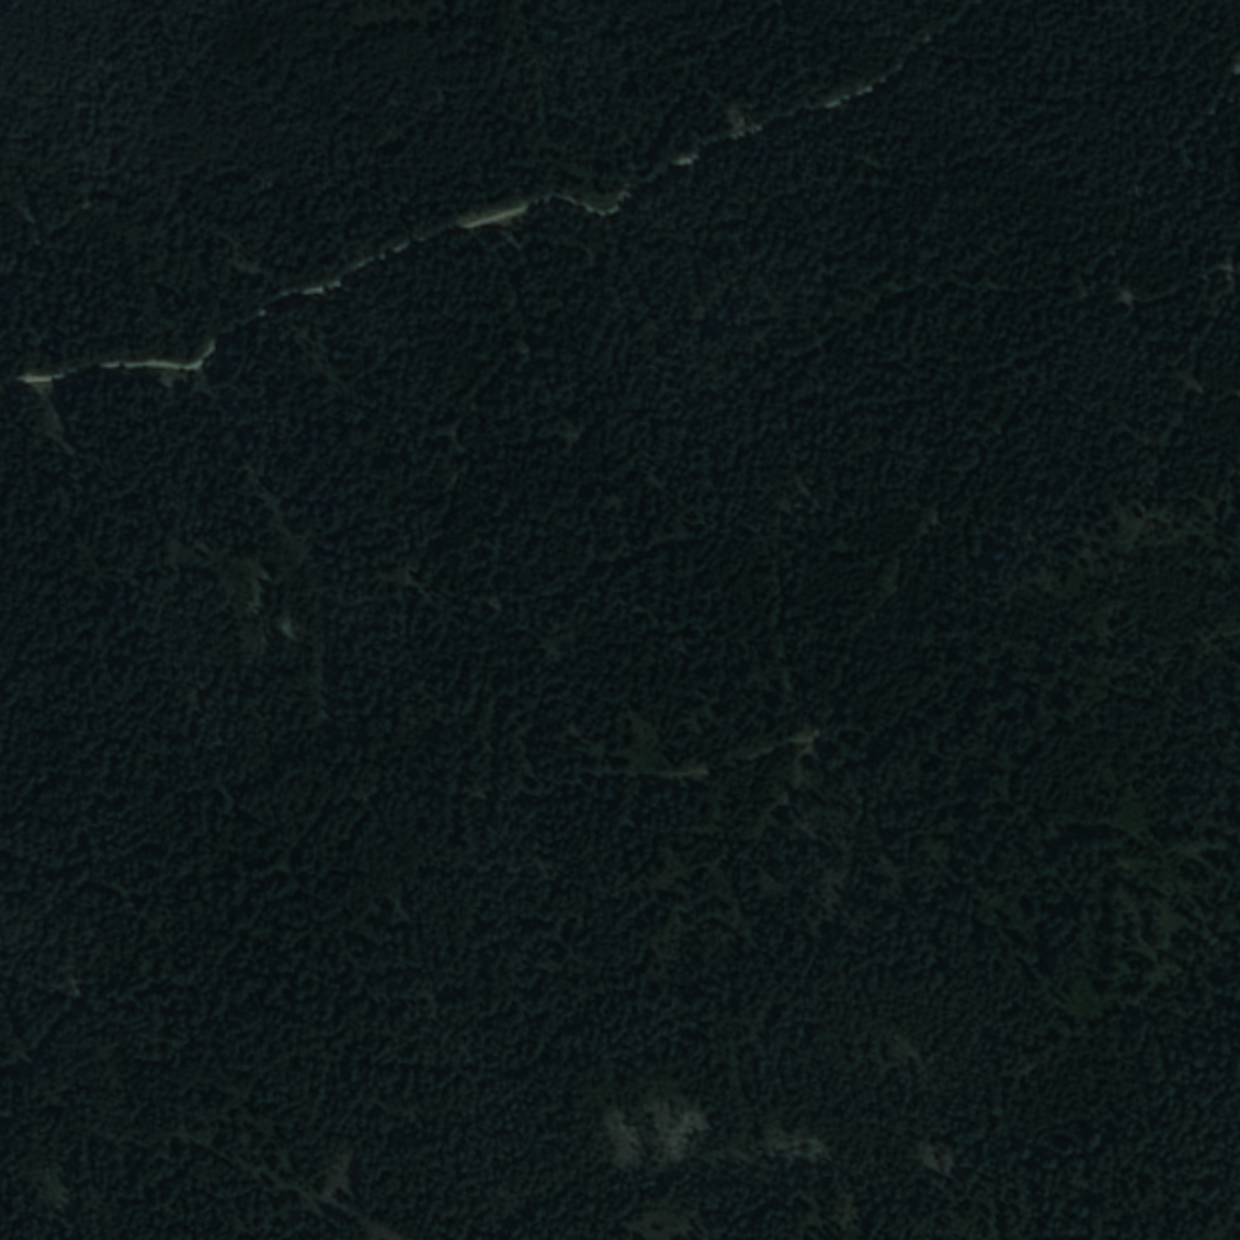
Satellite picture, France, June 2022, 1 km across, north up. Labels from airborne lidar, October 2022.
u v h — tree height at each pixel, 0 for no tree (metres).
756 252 27
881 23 24
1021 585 25
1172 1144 26
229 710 8
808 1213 28
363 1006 31
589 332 7
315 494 29
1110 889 15
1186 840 38
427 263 19
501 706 11
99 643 29
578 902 28
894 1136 24
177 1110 20
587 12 28
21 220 23
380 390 10
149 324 23
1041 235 17
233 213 25
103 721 25
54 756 25
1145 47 28
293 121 20
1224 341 20
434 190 23
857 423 30
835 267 30
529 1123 24
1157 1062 28
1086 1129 14
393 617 24
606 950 21
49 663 22
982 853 28
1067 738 18
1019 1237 26
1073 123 25
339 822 35
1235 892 7
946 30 9
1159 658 19
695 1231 0
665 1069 26
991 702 34
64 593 33
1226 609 6
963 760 30
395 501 17
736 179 22
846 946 30
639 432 8
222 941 33
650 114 23
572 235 26
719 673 23
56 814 16
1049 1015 35
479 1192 26
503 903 27
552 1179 25
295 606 7
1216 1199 13
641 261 28
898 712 17
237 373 28
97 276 23
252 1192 20
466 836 29
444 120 21
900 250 14
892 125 22
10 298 28
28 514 22
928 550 6
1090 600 6
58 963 15
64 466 12
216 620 29
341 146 25
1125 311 30
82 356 28
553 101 21
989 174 20
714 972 8
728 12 19
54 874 8
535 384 31
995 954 35
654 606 15
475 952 29
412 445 30
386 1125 35
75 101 17
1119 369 25
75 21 21
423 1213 28
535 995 7
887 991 25
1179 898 8
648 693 28
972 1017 7
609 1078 26
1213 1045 31
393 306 18
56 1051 18
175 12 26
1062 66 23
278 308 17
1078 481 24
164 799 29
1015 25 24
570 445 16
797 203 23
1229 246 25
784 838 28
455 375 24
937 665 17
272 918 19
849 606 32
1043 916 29
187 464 28
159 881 25
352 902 33
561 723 23
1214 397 25
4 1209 11
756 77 29
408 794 35
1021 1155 28
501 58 30
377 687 16
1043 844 38
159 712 22
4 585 23
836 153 18
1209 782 29
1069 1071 7
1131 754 18
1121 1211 18
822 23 19
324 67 23
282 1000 31
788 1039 19
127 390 22
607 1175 14
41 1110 17
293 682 30
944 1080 9
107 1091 23
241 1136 19
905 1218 27
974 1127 23
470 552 25
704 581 19
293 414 14
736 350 23
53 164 12
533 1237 27
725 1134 18
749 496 16
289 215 25
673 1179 13
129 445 26
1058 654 32
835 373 28
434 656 15
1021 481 20
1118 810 17
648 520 22
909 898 8
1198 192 24
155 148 17
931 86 18
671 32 25
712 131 24
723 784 8
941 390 17
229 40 23
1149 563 11
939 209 28
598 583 24
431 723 8
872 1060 10
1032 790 19
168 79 22
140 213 13
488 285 24
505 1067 13
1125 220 23
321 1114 20
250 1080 26
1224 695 8
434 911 38
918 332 26
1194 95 25
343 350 18
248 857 20
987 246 19
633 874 16
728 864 9
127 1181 22
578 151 23
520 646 19
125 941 22
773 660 34
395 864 39
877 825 12
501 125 19
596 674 18
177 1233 27
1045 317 23
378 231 29
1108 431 22
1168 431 26
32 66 16
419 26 16
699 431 23
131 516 32
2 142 14
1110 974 25
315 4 22
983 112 21
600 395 18
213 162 15
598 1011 12
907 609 10
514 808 29
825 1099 22
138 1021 21
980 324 24
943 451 17
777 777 10
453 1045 19
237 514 27
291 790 31
